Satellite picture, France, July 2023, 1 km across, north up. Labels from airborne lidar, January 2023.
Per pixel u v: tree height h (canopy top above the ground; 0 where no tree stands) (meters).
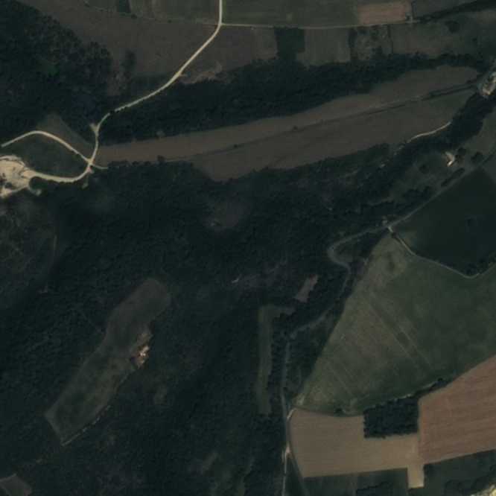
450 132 14
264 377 0
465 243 0
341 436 0
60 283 19
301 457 0
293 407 0
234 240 24
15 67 20
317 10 0
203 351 10
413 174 0
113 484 10
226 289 7
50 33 10
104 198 12
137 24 0
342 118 0
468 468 0
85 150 0
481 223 0
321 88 11
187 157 0
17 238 12
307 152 0
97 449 6
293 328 13
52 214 11
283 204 26
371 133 0
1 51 17
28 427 9
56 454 8
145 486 13
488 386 0
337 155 0
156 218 22
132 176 10
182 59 0
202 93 14
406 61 13
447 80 0
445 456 0
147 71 0
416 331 0
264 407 0
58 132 0
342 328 0
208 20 0
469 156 0
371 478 0
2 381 17
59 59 13
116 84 0
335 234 7
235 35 0
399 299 0
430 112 0
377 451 0
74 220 8
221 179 0
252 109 15
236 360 17
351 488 0
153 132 18
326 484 0
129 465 13
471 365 0
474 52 0
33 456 10
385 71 22
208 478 7
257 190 7
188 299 13
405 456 0
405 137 0
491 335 0
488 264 10
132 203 14
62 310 10
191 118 20
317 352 7
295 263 9
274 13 0
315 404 0
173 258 18
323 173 7
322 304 22
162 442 24
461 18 0
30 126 10
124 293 9
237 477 8
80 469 8
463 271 0
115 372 0
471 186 0
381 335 0
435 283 0
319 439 0
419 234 0
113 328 0
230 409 13
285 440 7
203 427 7
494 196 0
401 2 0
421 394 8
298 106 17
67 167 0
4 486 0
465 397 0
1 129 23
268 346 0
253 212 13
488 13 0
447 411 0
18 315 11
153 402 8
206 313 13
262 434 28
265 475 13
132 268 14
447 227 0
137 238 23
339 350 0
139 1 0
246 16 0
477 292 0
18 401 11
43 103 21
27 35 7
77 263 24
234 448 8
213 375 20
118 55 0
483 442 0
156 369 9
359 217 11
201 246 17
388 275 0
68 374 11
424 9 0
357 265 8
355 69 8
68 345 10
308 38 0
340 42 0
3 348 26
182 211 22
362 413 0
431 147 25
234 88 7
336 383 0
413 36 0
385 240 0
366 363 0
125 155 0
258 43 0
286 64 9
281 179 10
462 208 0
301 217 22
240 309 21
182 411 18
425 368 0
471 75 0
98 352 0
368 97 0
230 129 0
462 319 0
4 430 13
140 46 0
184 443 21
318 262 13
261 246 16
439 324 0
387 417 11
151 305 0
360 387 0
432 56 0
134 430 17
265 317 0
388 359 0
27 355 16
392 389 0
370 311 0
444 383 15
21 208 7
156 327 10
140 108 9
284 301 15
